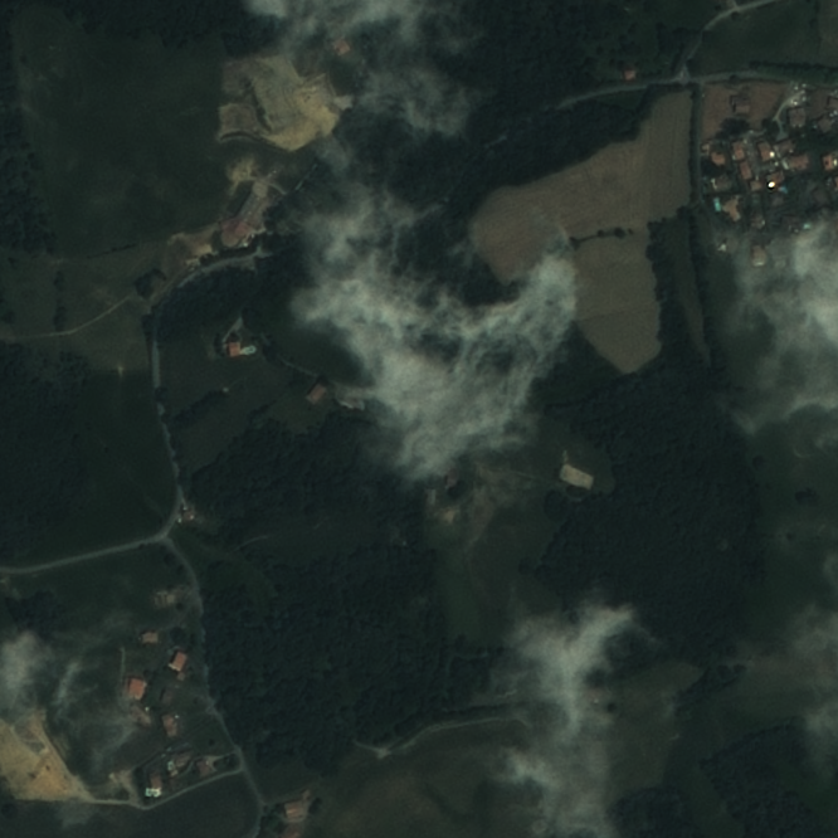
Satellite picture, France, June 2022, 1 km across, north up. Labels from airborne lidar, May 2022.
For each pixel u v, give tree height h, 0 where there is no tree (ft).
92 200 0
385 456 66
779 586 0
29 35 0
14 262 53
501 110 65
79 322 0
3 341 28
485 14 72
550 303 40
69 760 0
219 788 0
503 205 0
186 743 0
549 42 67
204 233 0
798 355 0
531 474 0
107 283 0
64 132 0
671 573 72
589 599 58
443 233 88
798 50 0
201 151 0
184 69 0
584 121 61
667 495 69
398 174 62
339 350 0
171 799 0
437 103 88
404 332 37
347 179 66
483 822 0
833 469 0
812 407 0
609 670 66
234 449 24
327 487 61
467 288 68
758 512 58
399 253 71
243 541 37
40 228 37
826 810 0
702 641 78
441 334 67
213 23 79
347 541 0
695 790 0
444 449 0
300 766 0
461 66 71
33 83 0
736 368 0
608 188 0
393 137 67
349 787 0
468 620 0
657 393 73
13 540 72
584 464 0
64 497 52
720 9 37
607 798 0
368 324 0
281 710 76
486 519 0
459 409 0
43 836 0
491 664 48
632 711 0
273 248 65
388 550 46
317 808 52
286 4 49
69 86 0
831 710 0
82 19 77
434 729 0
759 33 0
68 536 0
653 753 0
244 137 0
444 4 84
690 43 39
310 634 90
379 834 0
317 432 31
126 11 80
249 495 73
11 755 0
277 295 38
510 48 75
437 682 73
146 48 0
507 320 65
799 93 0
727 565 78
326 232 49
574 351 74
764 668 0
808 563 0
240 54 52
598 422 67
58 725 0
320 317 0
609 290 0
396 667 79
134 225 0
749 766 68
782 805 43
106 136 0
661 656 67
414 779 0
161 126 0
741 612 72
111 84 0
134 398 0
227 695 66
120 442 0
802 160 0
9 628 0
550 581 59
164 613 0
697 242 53
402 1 82
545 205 0
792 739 63
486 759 0
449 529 0
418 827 0
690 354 28
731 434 70
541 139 83
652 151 0
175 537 0
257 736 58
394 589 44
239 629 87
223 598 27
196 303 83
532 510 0
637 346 0
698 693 52
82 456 50
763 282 0
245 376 0
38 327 0
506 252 0
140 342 0
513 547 0
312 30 54
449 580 0
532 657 72
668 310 53
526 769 0
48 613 61
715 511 88
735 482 68
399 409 63
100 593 0
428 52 84
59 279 30
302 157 0
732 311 0
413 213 24
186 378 0
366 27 66
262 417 56
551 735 0
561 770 0
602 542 78
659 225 40
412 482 73
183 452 40
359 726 31
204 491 41
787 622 0
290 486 66
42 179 0
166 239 0
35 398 53
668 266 34
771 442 0
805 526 0
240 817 0
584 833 39
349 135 70
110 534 0
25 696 0
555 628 0
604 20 52
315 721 91
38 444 56
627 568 75
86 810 0
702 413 75
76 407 42
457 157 54
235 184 0
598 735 0
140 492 0
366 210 81
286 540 0
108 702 0
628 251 0
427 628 20
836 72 56
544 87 70
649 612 74
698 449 82
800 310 0
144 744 0
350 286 0
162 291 0
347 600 55
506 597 0
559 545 58
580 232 0
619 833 62
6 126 38
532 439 0
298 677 68
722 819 0
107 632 0
